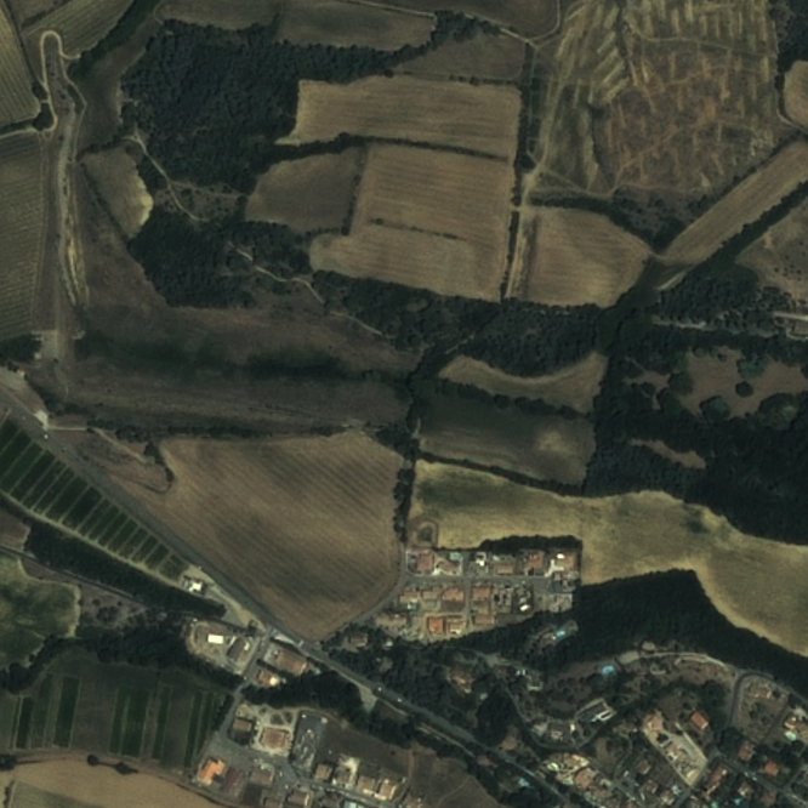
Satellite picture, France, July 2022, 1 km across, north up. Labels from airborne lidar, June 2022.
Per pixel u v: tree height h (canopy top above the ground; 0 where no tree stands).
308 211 0
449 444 0
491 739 11
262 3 0
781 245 0
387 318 8
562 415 8
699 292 14
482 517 0
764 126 0
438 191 0
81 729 0
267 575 0
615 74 0
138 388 0
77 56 0
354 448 0
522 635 10
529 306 9
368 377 19
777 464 20
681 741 0
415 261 0
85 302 0
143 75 15
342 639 9
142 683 0
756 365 14
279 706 14
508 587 0
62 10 0
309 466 0
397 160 0
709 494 17
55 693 0
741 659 8
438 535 0
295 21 0
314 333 0
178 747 0
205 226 6
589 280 0
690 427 19
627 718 14
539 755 10
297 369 7
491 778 20
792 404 10
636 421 21
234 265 18
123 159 0
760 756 6
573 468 0
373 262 0
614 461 18
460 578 0
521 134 6
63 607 0
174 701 0
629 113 0
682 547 0
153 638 10
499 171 0
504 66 0
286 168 0
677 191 0
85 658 0
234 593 0
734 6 0
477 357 14
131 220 0
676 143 0
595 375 0
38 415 0
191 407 0
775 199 0
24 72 0
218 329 0
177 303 9
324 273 7
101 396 0
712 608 11
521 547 7
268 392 0
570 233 0
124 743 0
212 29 15
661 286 0
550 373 22
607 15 0
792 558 0
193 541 0
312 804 0
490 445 0
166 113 10
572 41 0
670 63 0
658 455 9
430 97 0
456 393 24
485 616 0
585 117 0
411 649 9
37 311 0
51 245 0
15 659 0
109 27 0
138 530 0
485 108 0
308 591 0
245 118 15
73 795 0
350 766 0
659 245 10
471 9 0
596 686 16
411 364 0
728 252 6
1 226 0
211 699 0
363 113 0
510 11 0
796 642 0
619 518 0
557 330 15
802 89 0
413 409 11
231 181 7
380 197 0
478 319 10
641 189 0
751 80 0
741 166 0
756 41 0
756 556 0
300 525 0
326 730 0
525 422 0
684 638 14
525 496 0
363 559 0
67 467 0
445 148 7
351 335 0
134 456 0
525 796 18
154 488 0
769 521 13
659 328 11
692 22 0
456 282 0
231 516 0
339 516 0
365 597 0
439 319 12
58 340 0
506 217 0
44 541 9
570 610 8
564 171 0
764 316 19
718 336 16
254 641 0
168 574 0
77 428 0
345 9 0
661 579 10
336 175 0
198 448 0
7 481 0
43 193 0
